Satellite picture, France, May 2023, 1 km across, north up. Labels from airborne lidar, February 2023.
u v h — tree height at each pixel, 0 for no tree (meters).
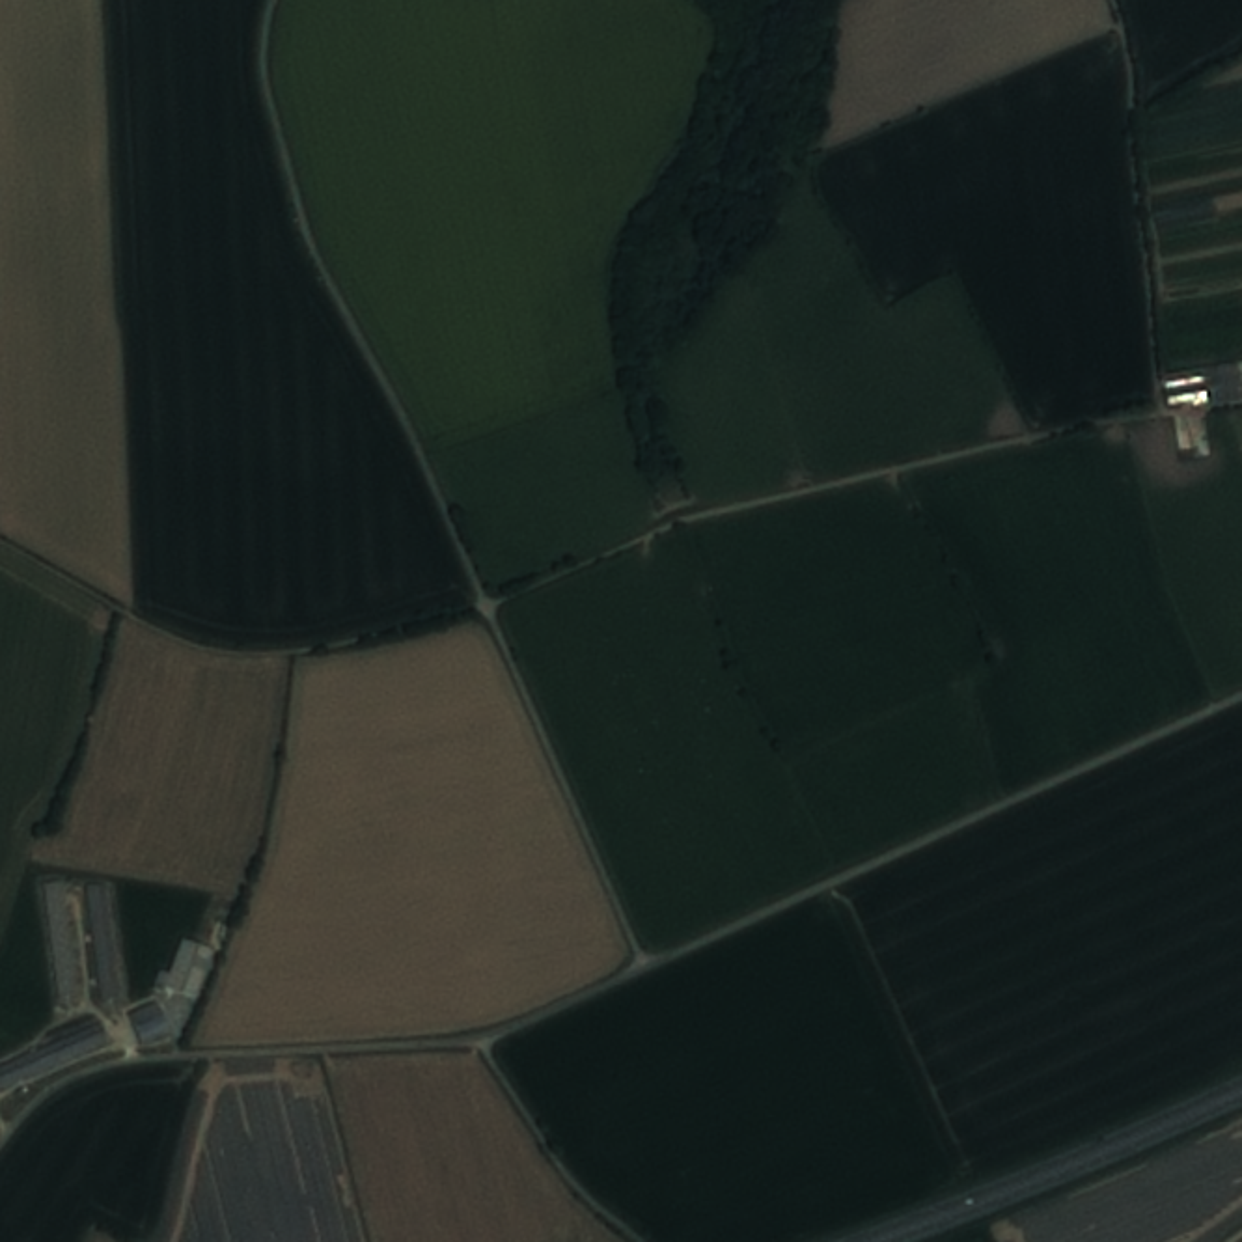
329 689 0
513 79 0
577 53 0
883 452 0
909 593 0
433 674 0
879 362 0
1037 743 0
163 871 0
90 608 0
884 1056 0
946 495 0
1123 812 0
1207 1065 0
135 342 0
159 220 0
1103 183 0
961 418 0
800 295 0
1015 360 0
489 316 0
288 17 0
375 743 0
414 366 0
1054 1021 0
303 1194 0
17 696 0
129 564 0
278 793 0
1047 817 0
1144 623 0
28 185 0
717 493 0
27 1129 0
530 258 0
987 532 0
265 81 0
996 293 0
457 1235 0
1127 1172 0
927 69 0
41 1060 0
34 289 0
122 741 0
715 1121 0
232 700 0
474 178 0
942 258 0
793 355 0
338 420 0
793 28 17
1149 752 0
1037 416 0
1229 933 0
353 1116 0
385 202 0
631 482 0
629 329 15
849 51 0
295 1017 0
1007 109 0
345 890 0
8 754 0
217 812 0
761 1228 0
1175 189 0
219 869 0
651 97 0
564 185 0
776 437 0
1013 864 0
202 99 0
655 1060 0
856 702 0
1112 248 0
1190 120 0
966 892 0
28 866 0
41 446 0
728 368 0
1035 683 0
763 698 0
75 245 0
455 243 0
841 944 0
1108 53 0
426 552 0
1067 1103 0
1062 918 0
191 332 0
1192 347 0
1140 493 0
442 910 0
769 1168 0
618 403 0
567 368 0
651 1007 0
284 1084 0
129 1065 0
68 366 0
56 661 0
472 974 0
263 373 0
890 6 0
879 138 0
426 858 0
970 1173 0
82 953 0
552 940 0
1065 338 0
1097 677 0
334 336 0
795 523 0
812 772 0
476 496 0
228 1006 0
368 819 0
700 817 0
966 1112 0
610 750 0
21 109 0
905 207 0
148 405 0
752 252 9
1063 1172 0
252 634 0
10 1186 0
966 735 0
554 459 0
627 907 0
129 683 0
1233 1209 0
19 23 0
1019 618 0
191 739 0
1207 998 0
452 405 0
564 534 0
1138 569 0
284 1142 0
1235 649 0
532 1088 0
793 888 0
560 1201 0
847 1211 0
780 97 13
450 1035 0
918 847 0
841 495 0
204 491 0
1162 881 0
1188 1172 0
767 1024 0
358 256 0
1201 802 0
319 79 0
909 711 0
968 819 0
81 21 0
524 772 0
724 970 0
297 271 0
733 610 0
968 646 0
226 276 0
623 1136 0
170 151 0
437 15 0
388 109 0
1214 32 0
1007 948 0
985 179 0
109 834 0
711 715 0
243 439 0
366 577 0
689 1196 0
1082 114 0
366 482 0
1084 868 0
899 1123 0
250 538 0
